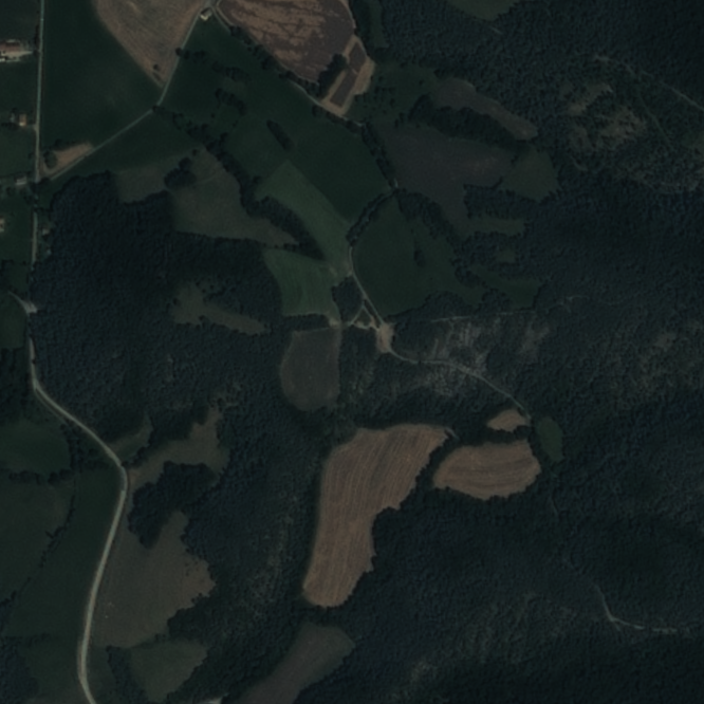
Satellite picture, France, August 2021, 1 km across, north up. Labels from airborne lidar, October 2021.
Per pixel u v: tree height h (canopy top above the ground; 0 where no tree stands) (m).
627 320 8
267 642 14
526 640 5
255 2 0
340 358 6
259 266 15
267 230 0
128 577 0
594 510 12
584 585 6
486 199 10
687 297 17
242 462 14
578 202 10
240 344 13
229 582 7
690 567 14
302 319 8
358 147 0
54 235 12
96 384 11
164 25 0
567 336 9
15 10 0
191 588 0
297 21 0
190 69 0
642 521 14
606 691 15
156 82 0
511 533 17
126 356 12
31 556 0
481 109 0
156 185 0
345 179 0
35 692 8
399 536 17
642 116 10
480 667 11
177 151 0
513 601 9
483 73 11
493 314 7
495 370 11
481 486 0
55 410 0
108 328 14
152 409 11
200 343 12
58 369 7
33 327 14
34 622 0
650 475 14
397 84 0
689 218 13
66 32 0
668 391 13
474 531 16
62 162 0
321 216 0
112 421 11
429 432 0
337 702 14
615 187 24
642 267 9
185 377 11
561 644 16
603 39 12
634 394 6
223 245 20
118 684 8
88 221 19
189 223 0
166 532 0
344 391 7
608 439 14
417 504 28
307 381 0
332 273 0
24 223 0
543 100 7
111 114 0
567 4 15
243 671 13
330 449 8
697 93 8
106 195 17
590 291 7
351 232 7
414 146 0
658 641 10
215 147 19
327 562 0
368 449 0
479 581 8
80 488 0
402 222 0
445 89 0
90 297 17
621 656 18
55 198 10
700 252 18
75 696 0
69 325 9
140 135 0
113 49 0
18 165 0
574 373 11
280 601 16
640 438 10
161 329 14
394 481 0
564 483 11
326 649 0
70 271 17
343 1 0
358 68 0
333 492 0
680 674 16
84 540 0
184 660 0
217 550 14
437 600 7
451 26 11
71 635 0
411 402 12
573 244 10
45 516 0
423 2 10
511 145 16
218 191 0
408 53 10
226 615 7
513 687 19
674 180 14
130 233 18
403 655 5
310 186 0
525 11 11
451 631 10
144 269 23
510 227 0
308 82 10
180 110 0
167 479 16
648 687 16
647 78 9
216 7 0
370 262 0
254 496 15
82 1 0
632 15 12
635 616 6
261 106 0
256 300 14
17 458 0
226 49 0
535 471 0
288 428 11
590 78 11
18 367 16
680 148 8
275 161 0
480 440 21
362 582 11
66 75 0
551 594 9
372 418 11
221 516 15
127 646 0
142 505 16
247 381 9
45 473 0
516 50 12
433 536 14
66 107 0
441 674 11
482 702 24
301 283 0
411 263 0
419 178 0
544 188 0
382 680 13
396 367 7
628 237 14
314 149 0
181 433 16
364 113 0
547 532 15
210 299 7
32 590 0
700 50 22
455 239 12
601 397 11
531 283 0
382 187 0
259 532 8
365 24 14
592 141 12
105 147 0
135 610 0
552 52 10
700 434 9
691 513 8
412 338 9
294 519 9
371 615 17
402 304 0
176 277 18
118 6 0
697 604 6
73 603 0
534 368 10
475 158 0
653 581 16
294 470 9
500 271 11
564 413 16
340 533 0
